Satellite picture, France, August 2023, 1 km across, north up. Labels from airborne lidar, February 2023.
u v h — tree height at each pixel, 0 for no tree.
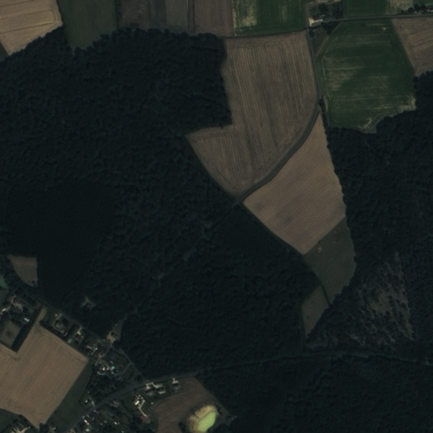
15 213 13
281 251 13
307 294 19
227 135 0
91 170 23
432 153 25
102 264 19
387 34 0
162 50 27
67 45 17
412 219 19
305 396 26
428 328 20
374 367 19
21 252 12
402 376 19
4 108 27
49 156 23
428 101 19
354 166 22
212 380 20
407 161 24
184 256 10
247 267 23
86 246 12
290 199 0
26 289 13
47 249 11
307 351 21
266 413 16
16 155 23
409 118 19
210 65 22
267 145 0
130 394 0
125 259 21
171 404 0
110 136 24
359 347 20
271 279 21
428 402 26
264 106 0
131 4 0
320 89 0
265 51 0
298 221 0
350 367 24
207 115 20
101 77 18
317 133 0
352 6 0
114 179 25
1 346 0
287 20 0
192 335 20
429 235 15
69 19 0
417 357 23
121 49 23
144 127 23
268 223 0
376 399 19
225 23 0
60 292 15
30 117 26
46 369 0
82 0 0
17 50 0
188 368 19
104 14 0
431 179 22
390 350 19
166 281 21
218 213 16
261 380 27
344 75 0
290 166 0
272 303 25
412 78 0
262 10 0
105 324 24
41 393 0
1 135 27
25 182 23
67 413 0
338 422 25
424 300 19
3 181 23
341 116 0
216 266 16
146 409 0
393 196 26
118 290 21
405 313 17
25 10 0
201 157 0
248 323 24
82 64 24
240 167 0
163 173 24
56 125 26
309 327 0
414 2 0
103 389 7
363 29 0
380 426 19
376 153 22
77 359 0
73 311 17
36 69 25
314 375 15
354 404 24
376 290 17
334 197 0
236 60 0
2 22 0
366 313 24
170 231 19
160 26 0
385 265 20
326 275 0
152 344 23
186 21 0
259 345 15
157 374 14
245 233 16
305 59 0
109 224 11
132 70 24
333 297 0
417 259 22
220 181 0
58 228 13
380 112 0
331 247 0
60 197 13
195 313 23
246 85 0
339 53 0
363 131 0
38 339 0
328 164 0
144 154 22
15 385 0
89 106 26
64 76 25
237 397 22
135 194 12
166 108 22
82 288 25
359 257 16
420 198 17
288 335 22
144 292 13
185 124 17
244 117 0
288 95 0
